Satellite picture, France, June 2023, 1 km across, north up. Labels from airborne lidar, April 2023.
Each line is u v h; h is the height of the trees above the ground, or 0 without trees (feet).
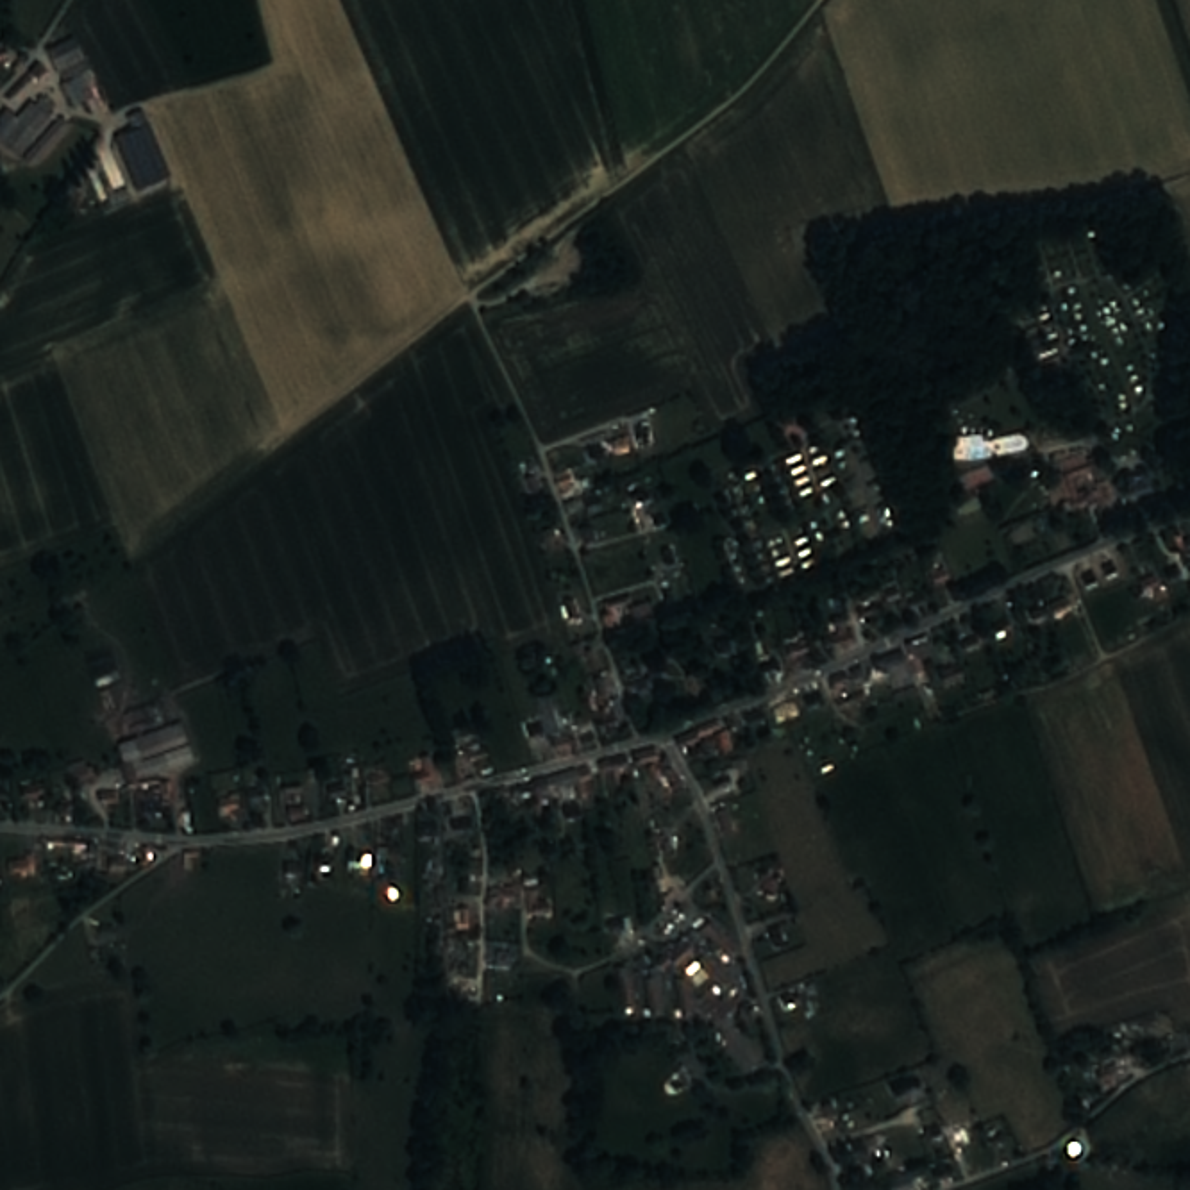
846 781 0
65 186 25
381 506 0
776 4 0
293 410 0
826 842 0
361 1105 0
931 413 76
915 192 0
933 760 0
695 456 0
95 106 0
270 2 0
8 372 0
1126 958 0
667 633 52
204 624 0
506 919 0
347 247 0
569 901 0
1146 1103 0
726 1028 0
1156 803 0
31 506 0
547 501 34
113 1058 0
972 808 38
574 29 0
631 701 52
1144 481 0
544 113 0
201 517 0
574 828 0
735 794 0
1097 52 0
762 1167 0
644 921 24
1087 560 0
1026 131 0
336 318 0
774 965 0
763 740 32
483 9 0
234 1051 0
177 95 0
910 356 98
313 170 0
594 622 0
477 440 0
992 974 0
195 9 0
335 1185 0
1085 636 0
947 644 20
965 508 0
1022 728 0
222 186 0
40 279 0
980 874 0
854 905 0
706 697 56
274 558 0
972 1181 0
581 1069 94
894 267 81
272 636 0
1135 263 95
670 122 0
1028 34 0
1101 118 0
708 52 0
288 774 0
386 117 0
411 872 0
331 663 0
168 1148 0
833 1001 0
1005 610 0
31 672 0
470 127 0
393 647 0
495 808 31
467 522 0
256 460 0
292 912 0
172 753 0
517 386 0
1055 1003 0
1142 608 0
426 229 0
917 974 0
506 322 0
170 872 0
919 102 0
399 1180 0
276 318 0
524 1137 0
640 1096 0
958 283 109
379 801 0
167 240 0
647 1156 0
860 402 54
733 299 0
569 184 0
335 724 0
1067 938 45
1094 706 0
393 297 0
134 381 0
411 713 0
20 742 0
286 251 0
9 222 0
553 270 0
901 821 0
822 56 0
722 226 0
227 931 0
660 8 0
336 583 0
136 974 27
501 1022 0
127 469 0
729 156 0
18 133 0
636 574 0
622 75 0
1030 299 87
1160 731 0
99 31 0
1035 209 88
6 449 0
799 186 0
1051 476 48
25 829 0
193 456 0
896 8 0
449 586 0
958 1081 46
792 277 0
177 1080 0
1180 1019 0
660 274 0
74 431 0
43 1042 0
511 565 0
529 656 33
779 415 50
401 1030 0
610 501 0
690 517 64
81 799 19
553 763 0
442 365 0
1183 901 0
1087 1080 0
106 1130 0
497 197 0
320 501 0
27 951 0
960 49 0
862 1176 41
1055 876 0
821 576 50
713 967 0
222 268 0
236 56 0
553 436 0
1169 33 0
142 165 0
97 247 0
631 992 0
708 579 0
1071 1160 52
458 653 77
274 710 0
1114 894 0
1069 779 0
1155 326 0
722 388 0
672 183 0
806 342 87
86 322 0
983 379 74
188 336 0
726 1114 30
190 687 0
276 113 0
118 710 0
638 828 0
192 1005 0
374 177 0
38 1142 0
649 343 0
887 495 67
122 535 0
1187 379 94
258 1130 0
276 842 0
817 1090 0
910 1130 0
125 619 0
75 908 26
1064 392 94
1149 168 0
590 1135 58
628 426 0
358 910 0
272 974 0
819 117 0
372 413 0
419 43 0
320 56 0
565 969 0
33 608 0
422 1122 55
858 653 0
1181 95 0
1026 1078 0
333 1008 0
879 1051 0
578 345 0
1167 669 0
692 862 0
